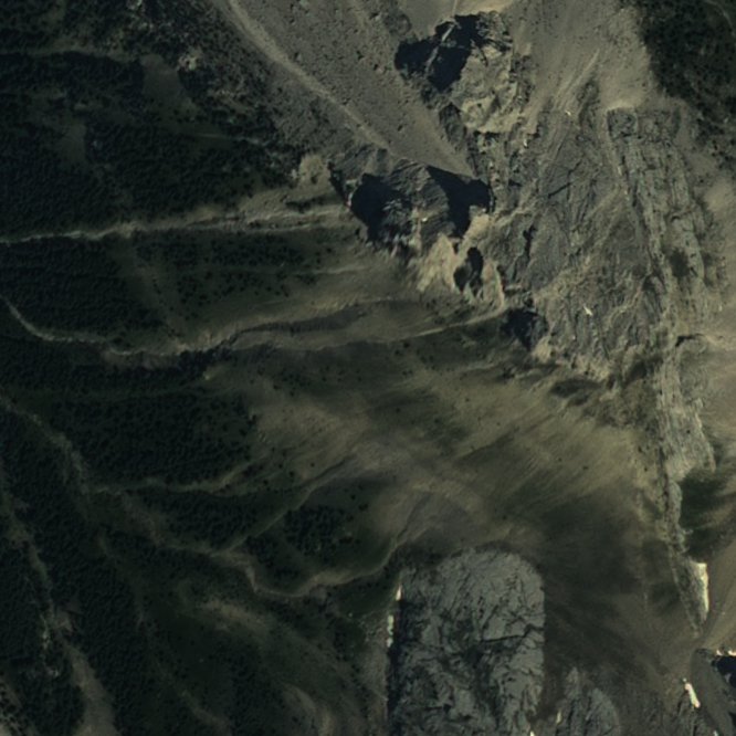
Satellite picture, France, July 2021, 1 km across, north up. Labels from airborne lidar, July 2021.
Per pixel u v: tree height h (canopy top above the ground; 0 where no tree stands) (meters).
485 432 0
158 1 6
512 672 0
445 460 0
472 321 0
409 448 0
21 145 8
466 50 0
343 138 0
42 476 15
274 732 7
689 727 0
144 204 10
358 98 0
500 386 0
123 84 15
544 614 0
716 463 0
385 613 0
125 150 10
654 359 0
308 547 12
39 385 18
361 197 0
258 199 0
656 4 7
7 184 10
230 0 0
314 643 0
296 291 0
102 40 14
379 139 0
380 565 0
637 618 0
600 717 0
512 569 0
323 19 0
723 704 0
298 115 0
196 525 11
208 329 0
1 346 16
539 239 0
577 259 0
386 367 0
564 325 0
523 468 0
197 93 7
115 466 16
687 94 6
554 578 0
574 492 0
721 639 0
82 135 0
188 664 0
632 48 0
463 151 0
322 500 0
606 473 0
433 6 0
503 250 0
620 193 0
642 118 0
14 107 14
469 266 0
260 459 0
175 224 0
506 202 0
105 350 0
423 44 0
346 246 0
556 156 0
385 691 0
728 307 0
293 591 0
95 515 0
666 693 0
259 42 0
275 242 8
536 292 0
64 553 16
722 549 0
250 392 0
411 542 0
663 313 0
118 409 13
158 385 16
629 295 0
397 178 0
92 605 16
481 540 0
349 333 0
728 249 0
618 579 0
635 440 0
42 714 15
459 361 0
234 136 16
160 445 12
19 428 19
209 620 0
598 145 0
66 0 7
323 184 0
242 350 0
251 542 11
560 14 0
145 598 6
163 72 0
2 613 16
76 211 8
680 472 0
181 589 0
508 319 0
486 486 0
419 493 0
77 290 15
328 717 0
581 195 0
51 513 14
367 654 0
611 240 0
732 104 11
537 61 0
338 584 0
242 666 8
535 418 0
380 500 0
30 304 18
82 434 8
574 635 0
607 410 0
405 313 0
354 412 0
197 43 8
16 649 18
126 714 14
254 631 0
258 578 0
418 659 0
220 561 0
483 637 0
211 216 0
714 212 0
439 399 0
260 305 0
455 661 0
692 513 0
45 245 12
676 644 0
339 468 0
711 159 0
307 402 0
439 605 0
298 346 0
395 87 0
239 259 7
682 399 0
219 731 0
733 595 0
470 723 0
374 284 0
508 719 0
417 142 0
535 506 0
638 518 0
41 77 21
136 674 9
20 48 24
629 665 0
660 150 0
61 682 19
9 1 16
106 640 17
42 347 9
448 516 0
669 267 0
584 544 0
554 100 0
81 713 13
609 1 0
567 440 0
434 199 0
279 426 0
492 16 0
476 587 0
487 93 0
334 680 0
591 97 0
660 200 0
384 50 0
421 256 0
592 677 0
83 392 10
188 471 16
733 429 0
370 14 0
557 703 0
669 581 0
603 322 0
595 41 0
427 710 0
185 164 12
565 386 0
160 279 0
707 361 0
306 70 0
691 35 9
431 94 0
